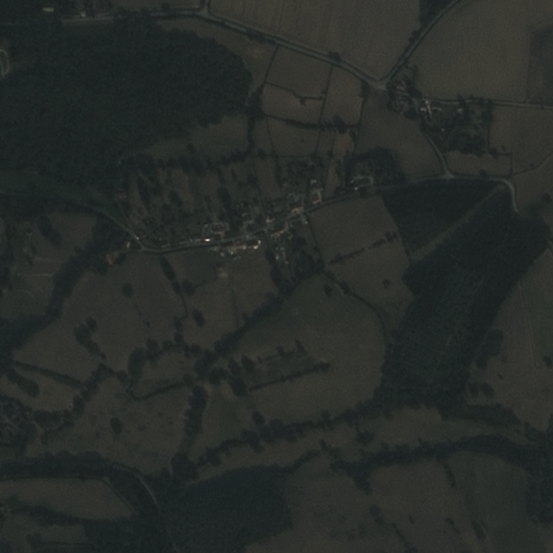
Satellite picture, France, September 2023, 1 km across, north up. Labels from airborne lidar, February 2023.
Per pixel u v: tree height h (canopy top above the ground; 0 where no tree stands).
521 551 0
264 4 0
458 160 0
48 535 0
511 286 8
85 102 21
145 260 0
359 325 0
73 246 0
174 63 18
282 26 0
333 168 0
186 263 0
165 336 0
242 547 19
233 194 0
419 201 18
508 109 0
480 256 17
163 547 16
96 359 0
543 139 0
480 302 15
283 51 0
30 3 12
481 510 0
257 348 0
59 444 0
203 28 0
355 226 0
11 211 18
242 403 0
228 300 0
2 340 13
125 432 0
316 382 0
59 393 0
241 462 0
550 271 0
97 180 17
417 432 0
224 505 22
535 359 0
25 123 20
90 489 0
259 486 24
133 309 0
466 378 12
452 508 0
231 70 13
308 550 0
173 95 17
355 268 0
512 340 0
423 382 13
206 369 19
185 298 0
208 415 0
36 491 0
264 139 0
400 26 0
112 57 22
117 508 0
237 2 0
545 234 18
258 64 0
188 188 0
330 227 0
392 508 0
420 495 0
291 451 0
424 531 0
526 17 0
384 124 0
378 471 0
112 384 0
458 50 0
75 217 0
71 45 20
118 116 20
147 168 24
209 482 0
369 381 0
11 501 0
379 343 0
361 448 0
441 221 14
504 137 0
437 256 15
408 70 0
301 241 10
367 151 0
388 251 0
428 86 0
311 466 0
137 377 10
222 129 0
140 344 0
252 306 0
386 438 0
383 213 0
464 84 0
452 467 0
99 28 0
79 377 0
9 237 12
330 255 0
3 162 16
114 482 12
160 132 21
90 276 0
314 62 0
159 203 0
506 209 14
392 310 0
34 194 18
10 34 6
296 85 0
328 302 0
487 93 0
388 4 0
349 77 0
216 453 8
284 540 0
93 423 0
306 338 0
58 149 23
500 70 0
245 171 0
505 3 0
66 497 0
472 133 0
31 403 0
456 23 0
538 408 0
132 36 12
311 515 0
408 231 17
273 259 17
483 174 11
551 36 0
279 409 0
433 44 0
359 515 0
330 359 0
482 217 17
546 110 0
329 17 0
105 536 20
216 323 0
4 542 0
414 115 16
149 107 23
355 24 0
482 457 0
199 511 14
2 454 0
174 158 0
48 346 0
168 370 0
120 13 12
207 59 22
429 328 13
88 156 14
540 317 0
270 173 0
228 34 0
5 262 15
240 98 13
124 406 0
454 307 17
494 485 0
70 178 22
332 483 0
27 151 20
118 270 0
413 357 10
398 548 0
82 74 24
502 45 0
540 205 0
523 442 0
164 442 0
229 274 0
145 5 0
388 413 22
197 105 18
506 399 0
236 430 0
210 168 23
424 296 17
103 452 0
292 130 0
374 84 0
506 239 18
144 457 0
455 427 0
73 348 0
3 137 20
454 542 0
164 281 0
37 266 0
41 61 14
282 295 14
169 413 0
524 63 0
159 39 26
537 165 0
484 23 0
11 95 20
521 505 0
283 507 20
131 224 0
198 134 0
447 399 15
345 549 0
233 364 17
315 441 0
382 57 0
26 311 0
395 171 7
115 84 19
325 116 0
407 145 0
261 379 0
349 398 0
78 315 0
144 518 13
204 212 0
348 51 0
